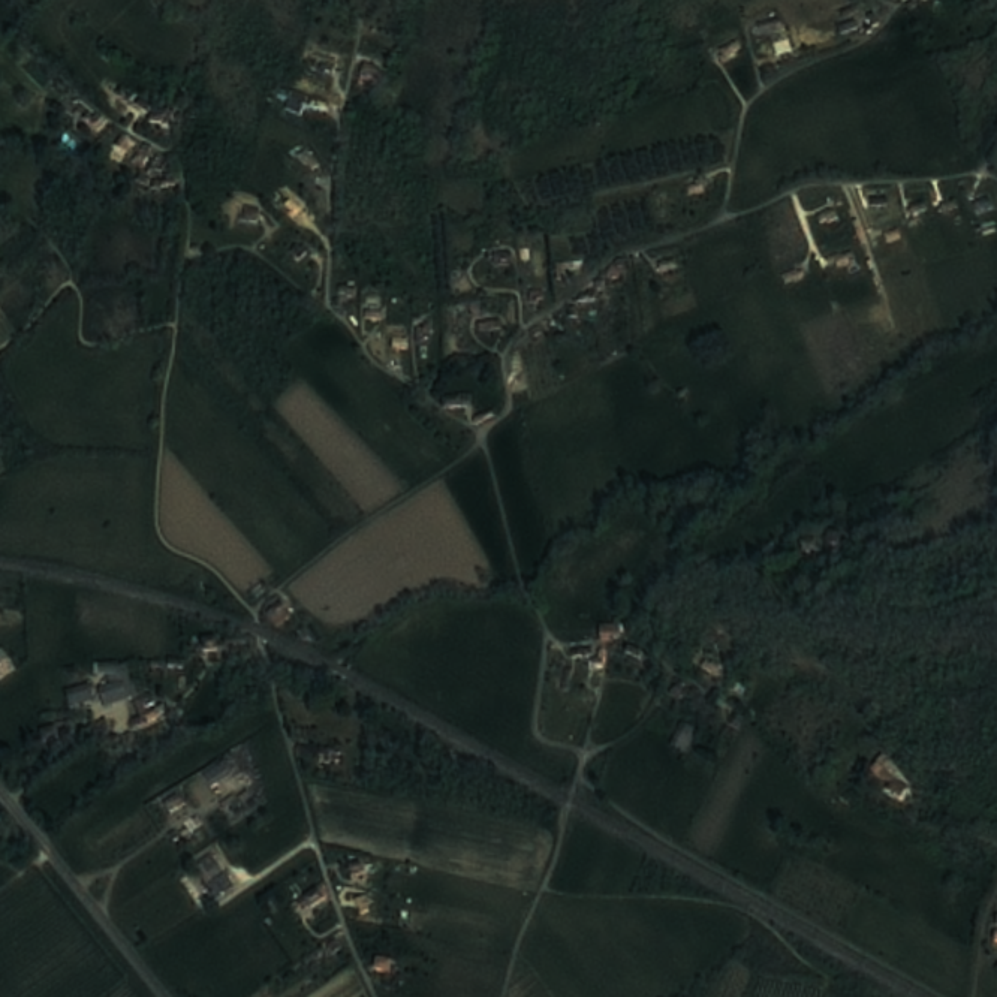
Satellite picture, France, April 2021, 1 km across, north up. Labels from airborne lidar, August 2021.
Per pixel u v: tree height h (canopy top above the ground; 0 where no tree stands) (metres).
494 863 0
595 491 0
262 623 7
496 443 0
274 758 0
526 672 0
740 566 18
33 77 0
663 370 0
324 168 0
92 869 0
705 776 0
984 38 8
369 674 0
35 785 20
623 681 0
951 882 17
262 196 9
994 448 18
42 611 0
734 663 16
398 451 0
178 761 0
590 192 9
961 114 12
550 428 0
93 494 0
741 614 20
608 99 15
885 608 19
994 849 15
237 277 16
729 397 0
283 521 0
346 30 11
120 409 0
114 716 0
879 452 0
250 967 0
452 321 7
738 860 0
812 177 17
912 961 0
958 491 0
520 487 0
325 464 0
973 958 0
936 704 9
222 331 11
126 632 0
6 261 8
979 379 0
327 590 0
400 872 0
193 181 8
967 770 12
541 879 0
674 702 8
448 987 0
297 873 8
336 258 9
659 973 0
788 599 6
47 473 0
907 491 8
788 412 0
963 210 0
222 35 10
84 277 9
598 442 0
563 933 0
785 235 0
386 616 19
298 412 0
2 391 7
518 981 0
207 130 9
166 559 0
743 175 0
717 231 0
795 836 15
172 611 7
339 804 0
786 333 0
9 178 0
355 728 0
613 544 0
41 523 0
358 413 0
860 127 0
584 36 7
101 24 0
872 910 0
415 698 0
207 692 0
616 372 0
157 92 8
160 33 0
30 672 0
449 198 0
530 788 8
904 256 0
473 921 0
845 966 9
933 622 19
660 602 15
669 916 0
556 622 0
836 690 14
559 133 0
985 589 11
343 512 0
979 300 0
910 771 15
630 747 0
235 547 0
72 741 16
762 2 0
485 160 7
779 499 0
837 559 17
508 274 8
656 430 0
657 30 14
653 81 14
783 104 0
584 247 8
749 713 10
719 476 19
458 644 0
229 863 0
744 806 0
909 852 0
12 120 0
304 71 0
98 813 0
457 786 15
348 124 10
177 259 13
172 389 0
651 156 8
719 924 0
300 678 20
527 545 0
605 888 0
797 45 0
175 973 0
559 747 0
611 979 0
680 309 0
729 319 0
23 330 10
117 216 10
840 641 9
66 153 8
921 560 19
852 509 8
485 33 11
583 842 0
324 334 0
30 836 14
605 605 0
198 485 0
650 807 0
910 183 0
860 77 0
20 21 18
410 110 16
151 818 0
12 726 0
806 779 14
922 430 0
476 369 11
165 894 0
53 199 18
